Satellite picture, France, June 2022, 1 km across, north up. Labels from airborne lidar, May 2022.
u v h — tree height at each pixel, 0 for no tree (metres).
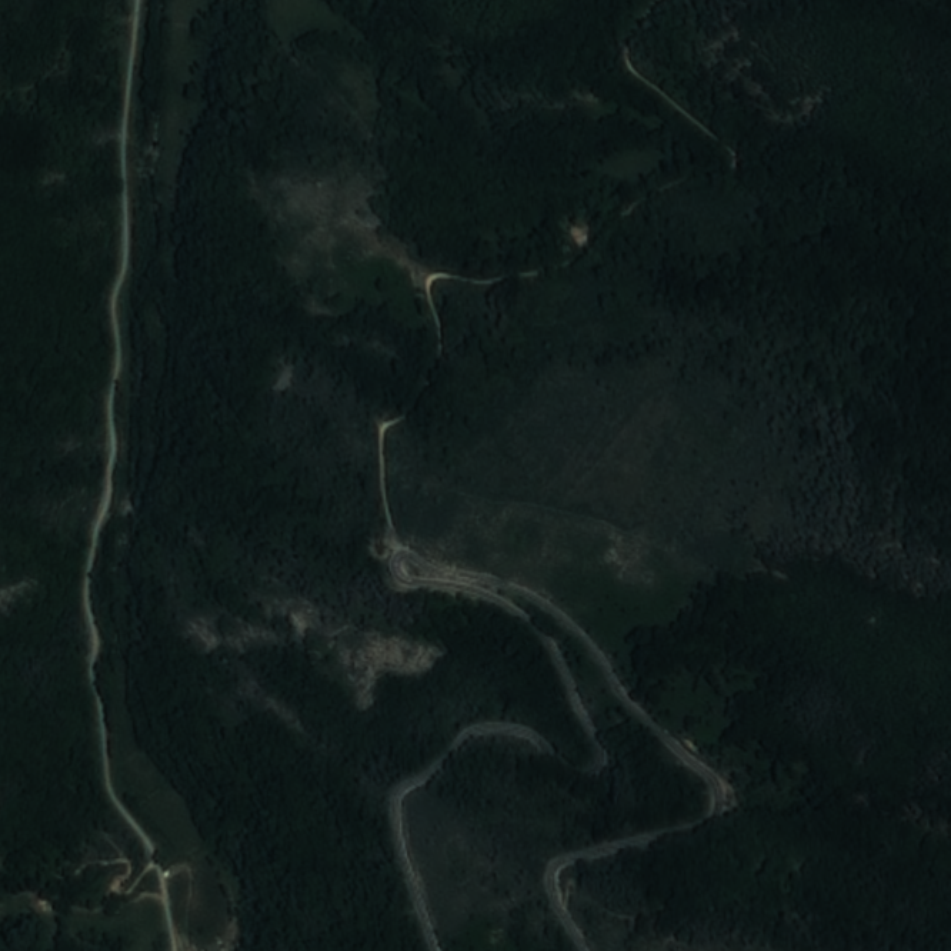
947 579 16
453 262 9
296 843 16
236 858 18
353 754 9
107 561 15
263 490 6
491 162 27
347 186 0
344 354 11
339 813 11
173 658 18
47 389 16
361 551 8
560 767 17
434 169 21
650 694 11
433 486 0
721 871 19
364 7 21
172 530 12
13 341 16
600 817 6
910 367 21
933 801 14
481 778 6
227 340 15
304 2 0
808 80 11
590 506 0
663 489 0
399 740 17
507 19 13
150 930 0
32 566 6
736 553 0
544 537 0
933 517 10
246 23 13
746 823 15
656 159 0
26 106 19
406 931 11
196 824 11
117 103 11
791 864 10
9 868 9
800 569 10
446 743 12
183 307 12
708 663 14
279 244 9
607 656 0
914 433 18
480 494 0
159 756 16
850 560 9
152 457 19
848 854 14
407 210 15
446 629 12
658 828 12
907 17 20
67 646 11
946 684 11
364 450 0
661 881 21
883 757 13
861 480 14
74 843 14
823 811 23
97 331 11
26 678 19
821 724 14
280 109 9
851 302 11
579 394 0
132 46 0
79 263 12
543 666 19
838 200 21
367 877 12
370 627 9
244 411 13
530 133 17
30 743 14
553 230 18
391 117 9
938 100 13
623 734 16
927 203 28
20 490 14
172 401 15
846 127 15
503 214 21
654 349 8
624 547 0
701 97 8
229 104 13
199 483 14
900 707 14
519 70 15
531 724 16
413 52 21
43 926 36
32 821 17
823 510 13
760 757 14
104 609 10
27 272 18
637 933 6
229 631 7
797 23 10
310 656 8
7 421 12
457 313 11
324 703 23
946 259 16
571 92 7
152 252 12
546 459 0
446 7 12
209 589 7
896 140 16
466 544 0
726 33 7
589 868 8
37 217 19
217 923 0
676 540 0
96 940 12
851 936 11
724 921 9
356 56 11
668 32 14
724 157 16
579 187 19
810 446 11
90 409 12
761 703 12
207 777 14
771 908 16
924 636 12
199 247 18
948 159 16
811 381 7
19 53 13
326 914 7
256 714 11
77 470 15
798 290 11
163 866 16
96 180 13
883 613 7
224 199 14
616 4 25
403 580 0
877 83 17
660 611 0
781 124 9
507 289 16
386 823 9
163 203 15
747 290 8
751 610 17
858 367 10
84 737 20
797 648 15
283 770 13
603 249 8
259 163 14
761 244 6
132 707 10
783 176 14
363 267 0
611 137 27
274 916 12
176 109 0
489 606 9
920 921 14
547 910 8
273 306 19
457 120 24
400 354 6
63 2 15
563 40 23
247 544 8
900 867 17
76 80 9
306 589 7
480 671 18
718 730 0
